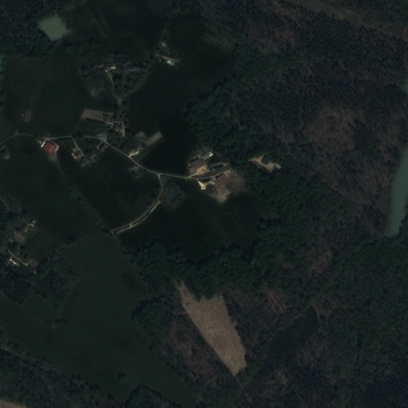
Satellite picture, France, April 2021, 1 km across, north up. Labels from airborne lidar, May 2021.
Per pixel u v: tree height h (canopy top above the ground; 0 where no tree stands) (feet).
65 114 0
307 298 60
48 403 62
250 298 49
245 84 45
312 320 42
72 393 79
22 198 0
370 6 68
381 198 58
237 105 33
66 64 0
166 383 0
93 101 0
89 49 0
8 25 77
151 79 0
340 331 63
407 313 73
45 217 0
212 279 72
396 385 72
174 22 0
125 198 0
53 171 0
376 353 46
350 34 67
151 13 0
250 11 75
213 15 59
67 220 0
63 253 0
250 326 59
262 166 0
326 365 55
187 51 0
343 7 22
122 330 0
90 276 0
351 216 45
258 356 84
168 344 38
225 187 0
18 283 77
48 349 0
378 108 79
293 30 68
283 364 33
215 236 0
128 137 44
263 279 83
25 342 0
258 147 64
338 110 41
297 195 65
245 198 0
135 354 0
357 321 80
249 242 0
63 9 54
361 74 77
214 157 0
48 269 55
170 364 67
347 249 68
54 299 28
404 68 72
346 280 73
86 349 0
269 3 53
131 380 0
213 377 24
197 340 30
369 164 57
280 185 74
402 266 63
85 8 0
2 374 55
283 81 50
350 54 64
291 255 72
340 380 71
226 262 53
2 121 0
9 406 0
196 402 0
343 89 69
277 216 64
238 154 52
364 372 54
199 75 0
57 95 0
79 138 55
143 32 0
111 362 0
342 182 62
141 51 0
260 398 41
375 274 73
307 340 38
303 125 31
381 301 52
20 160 0
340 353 62
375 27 0
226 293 40
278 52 61
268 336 60
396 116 54
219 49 0
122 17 0
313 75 68
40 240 0
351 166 49
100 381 0
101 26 0
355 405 70
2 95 25
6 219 65
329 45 73
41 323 0
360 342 32
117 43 0
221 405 73
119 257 0
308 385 65
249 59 60
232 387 74
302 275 69
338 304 66
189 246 0
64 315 0
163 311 47
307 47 48
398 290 68
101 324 0
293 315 80
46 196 0
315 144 39
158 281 72
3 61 22
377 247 77
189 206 0
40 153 0
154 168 0
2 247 51
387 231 33
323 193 58
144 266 74
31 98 0
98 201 0
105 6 0
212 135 54
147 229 0
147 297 0
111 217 0
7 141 0
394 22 66
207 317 0
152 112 0
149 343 0
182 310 25
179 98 0
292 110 66
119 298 0
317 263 49
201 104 64
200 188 0
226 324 0
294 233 69
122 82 57
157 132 0
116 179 0
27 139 0
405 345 63
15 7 59
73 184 0
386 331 69
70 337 0
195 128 56
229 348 0
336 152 42
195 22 0
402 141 72
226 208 0
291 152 31
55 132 0
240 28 66
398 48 61
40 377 49
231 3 55
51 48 71
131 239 0
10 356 50
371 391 71
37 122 0
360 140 63
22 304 49
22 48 56
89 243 0
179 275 62
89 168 0
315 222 67
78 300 0
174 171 0
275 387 36
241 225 0
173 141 0
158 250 63
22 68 0
